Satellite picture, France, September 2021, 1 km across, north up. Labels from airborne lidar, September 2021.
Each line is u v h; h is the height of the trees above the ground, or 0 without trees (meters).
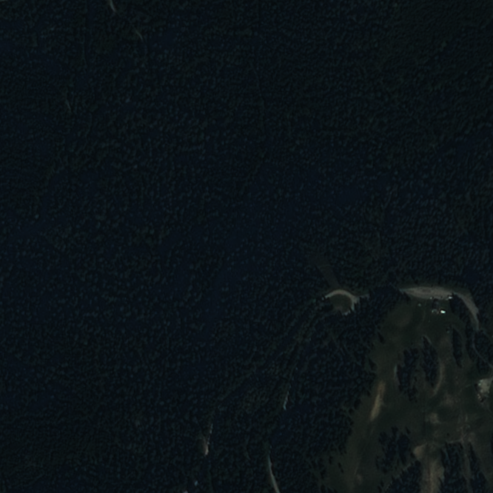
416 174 9
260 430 11
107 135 10
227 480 20
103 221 27
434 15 22
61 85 26
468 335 8
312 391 14
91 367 10
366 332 12
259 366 16
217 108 22
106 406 7
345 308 0
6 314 30
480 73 25
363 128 16
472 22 16
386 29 9
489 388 0
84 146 25
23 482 11
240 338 14
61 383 16
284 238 23
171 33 6
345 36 21
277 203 18
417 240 22
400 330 0
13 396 18
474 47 23
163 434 17
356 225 10
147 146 25
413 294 0
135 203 14
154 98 12
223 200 16
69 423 13
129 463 8
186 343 25
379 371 0
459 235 20
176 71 23
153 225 16
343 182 14
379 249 6
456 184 9
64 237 31
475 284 23
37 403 7
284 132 19
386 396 0
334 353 26
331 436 13
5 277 25
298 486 14
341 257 11
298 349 12
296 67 26
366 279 9
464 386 0
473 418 0
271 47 24
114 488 17
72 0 6
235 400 10
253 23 20
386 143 13
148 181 12
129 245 25
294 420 21
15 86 21
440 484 0
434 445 0
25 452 15
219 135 16
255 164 21
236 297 25
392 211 27
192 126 32
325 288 14
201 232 8
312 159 22
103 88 24
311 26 21
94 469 10
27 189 24
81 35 13
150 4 29
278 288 25
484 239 7
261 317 26
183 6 36
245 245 25
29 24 30
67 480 15
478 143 12
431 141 14
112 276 29
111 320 12
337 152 18
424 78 22
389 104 12
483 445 0
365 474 0
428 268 22
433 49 13
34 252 28
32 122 25
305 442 12
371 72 16
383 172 9
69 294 18
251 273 12
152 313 9
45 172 15
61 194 17
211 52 17
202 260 17
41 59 8
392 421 0
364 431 0
